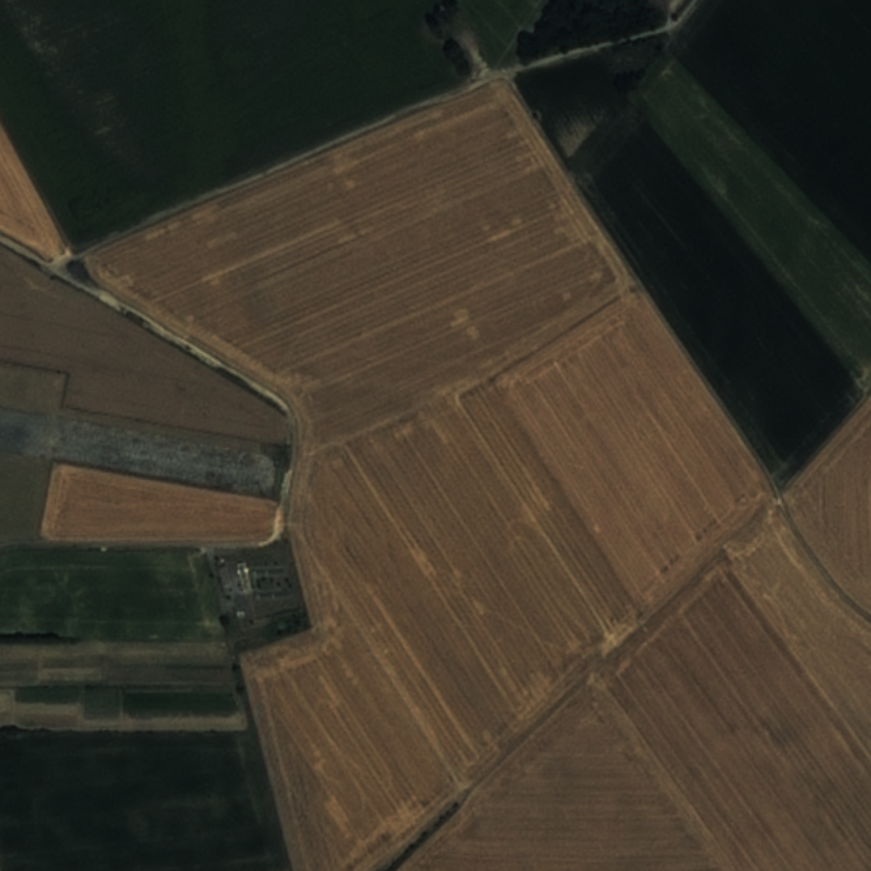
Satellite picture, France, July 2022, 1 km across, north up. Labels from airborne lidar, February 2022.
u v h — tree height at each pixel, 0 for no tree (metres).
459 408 0
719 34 0
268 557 0
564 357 0
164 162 0
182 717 0
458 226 0
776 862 0
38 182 0
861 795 0
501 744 0
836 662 0
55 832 0
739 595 0
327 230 0
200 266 0
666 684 0
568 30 15
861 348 0
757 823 0
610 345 0
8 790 0
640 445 0
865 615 0
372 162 0
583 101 0
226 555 0
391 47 0
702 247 0
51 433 0
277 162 0
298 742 0
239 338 0
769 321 0
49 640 8
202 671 0
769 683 0
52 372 0
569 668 0
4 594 0
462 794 0
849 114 0
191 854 0
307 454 0
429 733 0
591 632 0
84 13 0
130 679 0
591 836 0
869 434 0
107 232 0
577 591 0
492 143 0
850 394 0
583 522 0
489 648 0
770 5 0
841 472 0
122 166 0
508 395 0
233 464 0
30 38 0
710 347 0
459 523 0
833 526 0
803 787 0
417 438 0
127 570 0
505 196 0
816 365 0
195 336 0
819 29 0
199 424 0
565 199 0
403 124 0
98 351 0
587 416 0
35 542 0
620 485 0
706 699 0
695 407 0
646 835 0
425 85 0
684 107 0
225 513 0
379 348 0
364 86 0
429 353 0
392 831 0
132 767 0
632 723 0
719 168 0
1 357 0
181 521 0
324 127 0
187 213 0
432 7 0
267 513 0
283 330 0
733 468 0
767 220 0
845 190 0
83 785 0
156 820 0
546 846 0
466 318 0
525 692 0
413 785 0
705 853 0
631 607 0
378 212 0
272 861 0
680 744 0
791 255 0
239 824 0
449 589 0
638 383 0
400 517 0
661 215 0
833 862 0
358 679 0
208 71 0
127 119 0
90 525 0
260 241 0
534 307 0
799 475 0
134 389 0
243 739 0
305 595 0
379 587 0
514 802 0
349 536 0
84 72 0
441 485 0
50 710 0
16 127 0
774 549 0
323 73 0
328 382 0
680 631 0
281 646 0
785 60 0
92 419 0
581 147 0
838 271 0
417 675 0
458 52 16
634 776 0
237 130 0
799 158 0
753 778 0
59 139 0
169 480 0
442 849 0
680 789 0
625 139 0
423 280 0
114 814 0
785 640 0
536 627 0
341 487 0
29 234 0
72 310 0
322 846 0
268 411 0
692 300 0
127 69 0
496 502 0
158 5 0
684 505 0
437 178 0
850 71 0
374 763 0
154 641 0
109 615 0
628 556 0
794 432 0
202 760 0
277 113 0
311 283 0
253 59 0
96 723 0
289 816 0
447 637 0
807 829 0
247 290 0
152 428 0
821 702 0
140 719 0
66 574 0
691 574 0
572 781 0
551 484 0
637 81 14
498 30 0
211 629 0
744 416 0
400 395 0
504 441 0
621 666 0
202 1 0
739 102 0
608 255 0
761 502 0
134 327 0
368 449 0
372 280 0
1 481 0
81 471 0
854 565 0
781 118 0
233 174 0
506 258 0
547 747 0
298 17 0
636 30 8
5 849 0
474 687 0
